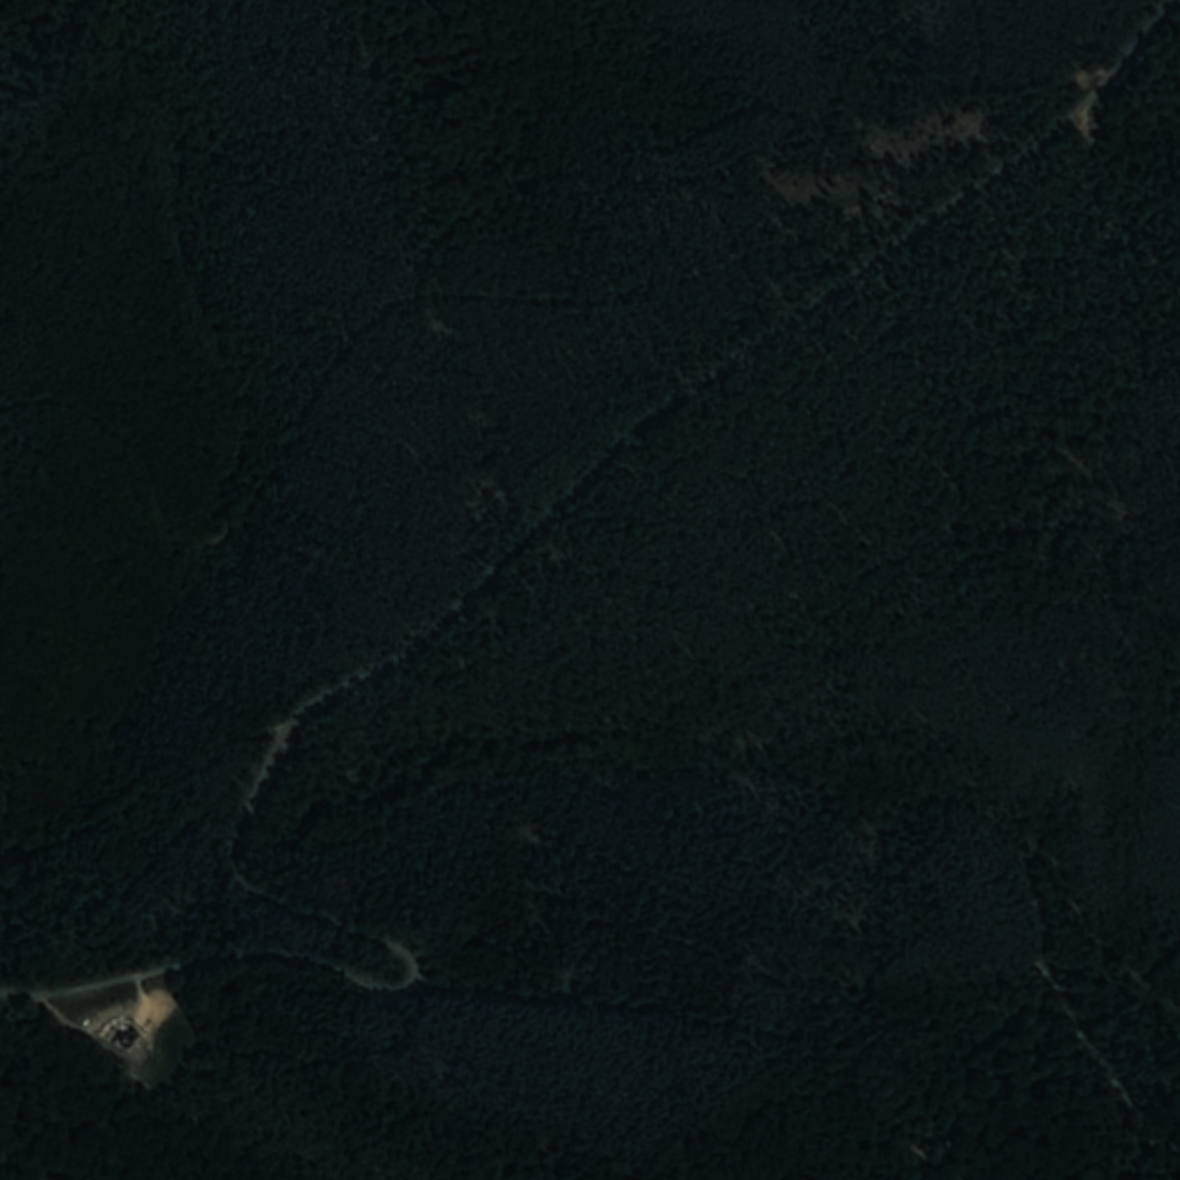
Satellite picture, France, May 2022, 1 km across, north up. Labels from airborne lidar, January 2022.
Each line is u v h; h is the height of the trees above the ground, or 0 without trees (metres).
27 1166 23
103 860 19
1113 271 22
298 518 25
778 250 21
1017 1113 30
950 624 20
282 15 22
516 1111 21
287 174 24
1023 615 23
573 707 24
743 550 22
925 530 21
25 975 23
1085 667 16
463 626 24
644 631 17
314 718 19
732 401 19
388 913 24
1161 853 13
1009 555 20
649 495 24
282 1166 19
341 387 23
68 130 21
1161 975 23
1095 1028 29
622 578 19
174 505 22
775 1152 25
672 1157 16
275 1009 17
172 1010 0
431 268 16
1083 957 24
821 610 16
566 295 12
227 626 27
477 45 27
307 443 22
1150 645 19
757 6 19
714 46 23
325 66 19
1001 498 26
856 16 23
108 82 22
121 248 16
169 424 23
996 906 26
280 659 25
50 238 21
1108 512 22
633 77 20
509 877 16
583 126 20
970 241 23
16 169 24
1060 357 21
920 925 16
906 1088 21
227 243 21
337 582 25
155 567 24
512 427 18
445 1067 20
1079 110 0
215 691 19
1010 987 23
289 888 24
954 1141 28
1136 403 18
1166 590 19
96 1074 23
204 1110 16
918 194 21
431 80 5
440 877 25
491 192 26
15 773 22
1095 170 19
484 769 21
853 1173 24
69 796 21
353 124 21
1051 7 20
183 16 21
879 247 16
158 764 21
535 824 23
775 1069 20
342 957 19
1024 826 15
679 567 22
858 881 23
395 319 18
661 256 22
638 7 21
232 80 21
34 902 29
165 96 26
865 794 25
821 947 20
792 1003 20
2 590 17
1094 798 12
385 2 28
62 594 23
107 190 23
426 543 22
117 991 0
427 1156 16
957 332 19
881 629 22
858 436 18
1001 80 18
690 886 23
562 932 19
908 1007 22
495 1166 12
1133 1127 25
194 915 17
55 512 23
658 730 17
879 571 20
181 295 25
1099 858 14
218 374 25
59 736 23
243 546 11
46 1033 21
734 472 20
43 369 21
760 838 24
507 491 26
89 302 21
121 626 22
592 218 19
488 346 18
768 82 19
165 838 12
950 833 28
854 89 21
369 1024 19
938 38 24
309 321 23
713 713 21
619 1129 23
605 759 24
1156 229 25
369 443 23
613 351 20
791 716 20
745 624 18
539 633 18
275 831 24
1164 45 15
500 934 19
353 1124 16
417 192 25
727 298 23
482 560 28
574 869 19
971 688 15
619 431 22
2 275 19
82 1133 26
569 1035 25
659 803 23
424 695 20
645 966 18
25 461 19
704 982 22
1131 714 21
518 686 22
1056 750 13
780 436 19
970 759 15
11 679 20
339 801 19
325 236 21
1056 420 16
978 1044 10
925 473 19
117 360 22
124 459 21
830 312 21
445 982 12
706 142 26
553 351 18
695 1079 28
